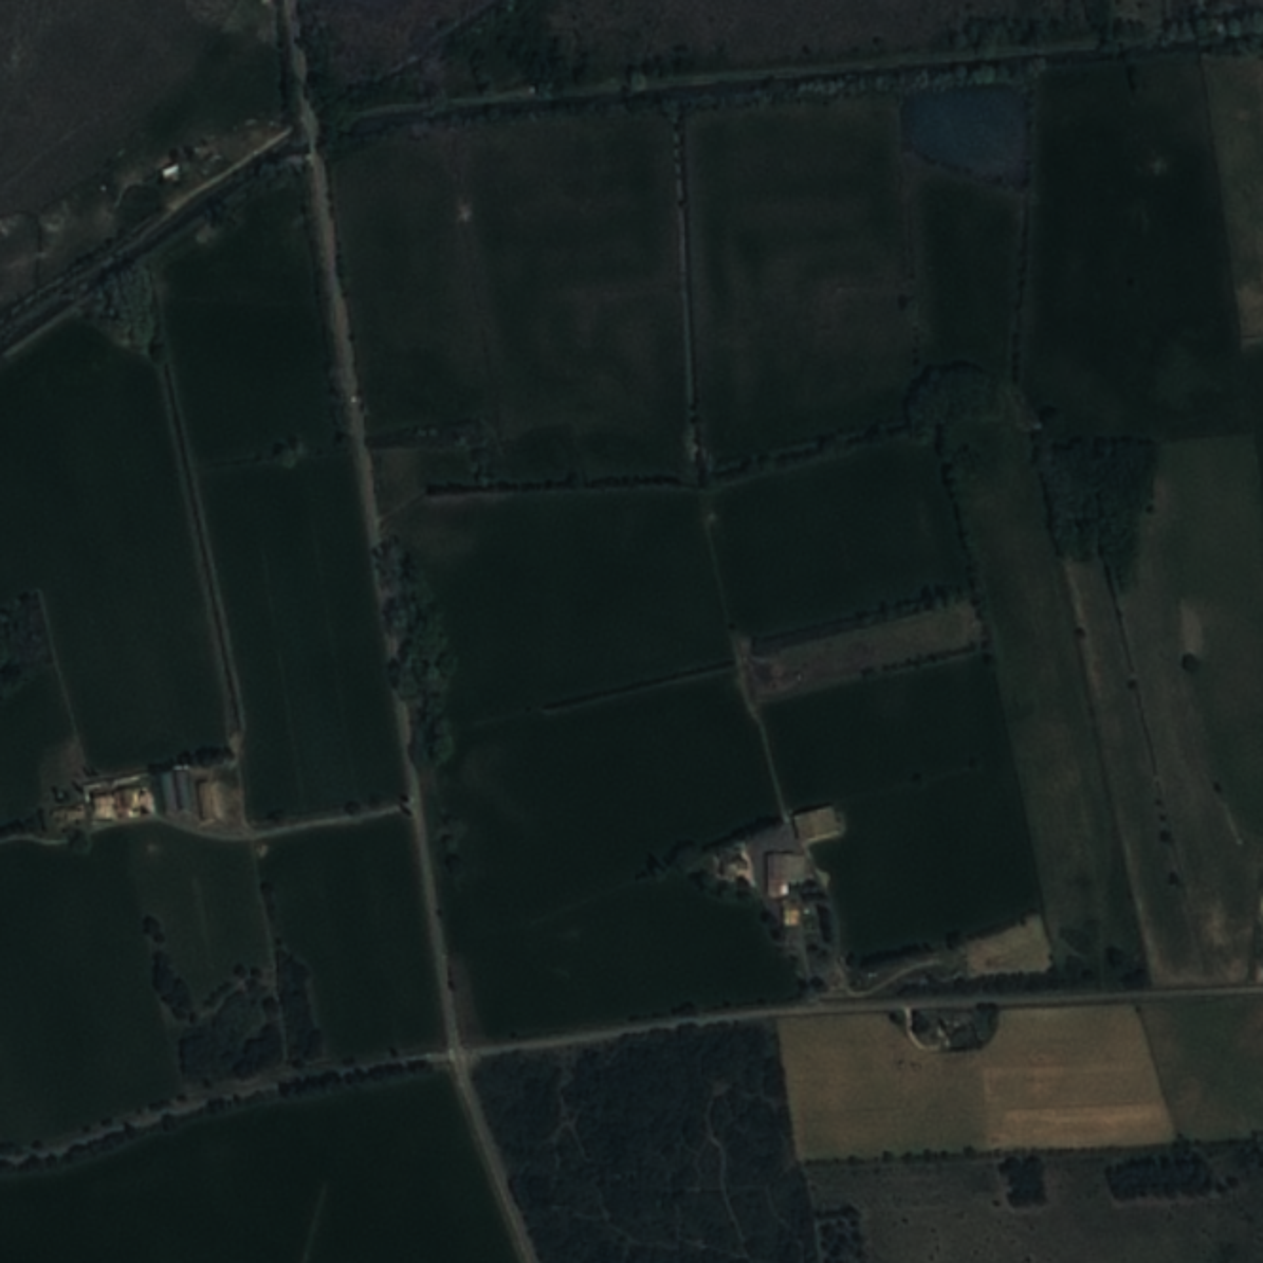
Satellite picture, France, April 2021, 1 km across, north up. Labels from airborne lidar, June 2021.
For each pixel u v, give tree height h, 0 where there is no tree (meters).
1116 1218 0
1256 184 0
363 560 0
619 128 0
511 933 0
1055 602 0
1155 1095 0
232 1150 0
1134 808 0
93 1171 0
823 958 6
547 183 0
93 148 0
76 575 0
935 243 0
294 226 0
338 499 0
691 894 0
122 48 0
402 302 0
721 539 0
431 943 0
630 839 0
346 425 12
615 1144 7
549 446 0
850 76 7
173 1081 0
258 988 7
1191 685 0
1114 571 9
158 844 0
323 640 0
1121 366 0
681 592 0
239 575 0
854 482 0
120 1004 0
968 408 18
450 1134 0
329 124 13
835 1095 0
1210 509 0
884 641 0
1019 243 0
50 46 0
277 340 0
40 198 0
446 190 0
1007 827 0
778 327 0
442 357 0
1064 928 0
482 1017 0
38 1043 0
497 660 0
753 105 6
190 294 0
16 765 0
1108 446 11
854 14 0
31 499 0
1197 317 0
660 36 0
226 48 0
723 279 0
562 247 0
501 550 0
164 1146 0
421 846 0
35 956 0
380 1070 7
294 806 0
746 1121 6
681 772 0
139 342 17
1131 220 0
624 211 0
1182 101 0
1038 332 0
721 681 0
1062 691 0
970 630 0
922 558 0
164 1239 0
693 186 0
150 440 0
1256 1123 0
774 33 0
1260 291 0
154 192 0
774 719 0
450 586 0
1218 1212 0
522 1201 7
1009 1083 0
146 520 0
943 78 11
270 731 0
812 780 0
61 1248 0
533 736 0
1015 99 0
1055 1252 0
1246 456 0
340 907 0
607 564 0
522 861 0
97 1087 0
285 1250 0
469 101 0
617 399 0
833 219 0
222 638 0
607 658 0
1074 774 0
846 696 0
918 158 0
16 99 0
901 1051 0
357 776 0
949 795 0
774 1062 6
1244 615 0
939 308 0
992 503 0
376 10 0
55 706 0
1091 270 0
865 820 0
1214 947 0
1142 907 0
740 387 0
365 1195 0
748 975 0
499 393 0
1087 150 0
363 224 0
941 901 0
